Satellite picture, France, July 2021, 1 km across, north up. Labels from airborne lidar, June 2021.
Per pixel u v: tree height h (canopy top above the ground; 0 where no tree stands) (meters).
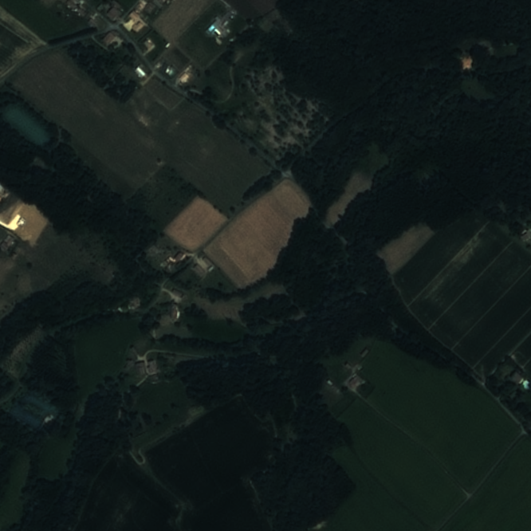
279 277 16
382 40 19
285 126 10
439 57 21
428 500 0
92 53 11
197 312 16
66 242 0
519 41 18
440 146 24
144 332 20
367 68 34
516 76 20
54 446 0
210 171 0
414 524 0
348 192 0
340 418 0
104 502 0
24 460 0
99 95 0
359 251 27
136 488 0
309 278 13
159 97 0
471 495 0
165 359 5
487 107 25
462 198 20
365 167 0
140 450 0
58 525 16
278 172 11
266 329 22
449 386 0
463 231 0
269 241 0
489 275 0
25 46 0
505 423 0
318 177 25
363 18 28
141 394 9
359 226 19
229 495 0
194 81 0
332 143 21
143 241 10
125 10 0
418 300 0
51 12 0
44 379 28
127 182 0
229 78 0
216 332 0
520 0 30
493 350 0
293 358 17
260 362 22
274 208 0
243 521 0
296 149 7
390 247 0
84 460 15
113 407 20
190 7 0
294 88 13
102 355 0
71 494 12
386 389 0
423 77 19
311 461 21
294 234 14
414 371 0
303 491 22
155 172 0
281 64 14
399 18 19
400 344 16
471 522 0
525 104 14
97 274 0
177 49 0
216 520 0
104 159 0
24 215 0
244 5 0
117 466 0
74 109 0
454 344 0
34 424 0
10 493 0
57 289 6
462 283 0
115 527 0
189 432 0
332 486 24
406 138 19
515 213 14
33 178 20
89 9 0
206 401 12
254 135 6
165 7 0
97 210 18
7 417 21
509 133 15
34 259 0
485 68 15
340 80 21
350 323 17
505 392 17
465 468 0
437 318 0
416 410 0
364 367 0
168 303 6
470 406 0
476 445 0
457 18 18
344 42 27
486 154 19
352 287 14
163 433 0
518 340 0
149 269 14
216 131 0
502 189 14
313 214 18
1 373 16
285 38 12
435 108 16
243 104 6
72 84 0
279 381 39
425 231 0
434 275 0
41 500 17
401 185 21
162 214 0
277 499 25
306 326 28
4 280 0
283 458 14
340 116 14
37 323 11
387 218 10
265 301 19
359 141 24
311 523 24
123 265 7
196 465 0
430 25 23
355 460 0
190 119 0
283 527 21
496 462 0
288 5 9
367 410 0
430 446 0
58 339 10
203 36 0
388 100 20
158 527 0
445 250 0
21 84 0
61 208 25
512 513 0
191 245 0
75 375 8
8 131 17
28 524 21
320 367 16
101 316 17
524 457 0
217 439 0
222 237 0
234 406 0
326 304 21
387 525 0
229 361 28
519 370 8
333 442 19
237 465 0
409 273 0
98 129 0
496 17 22
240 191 0
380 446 0
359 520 0
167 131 0
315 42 17
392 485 0
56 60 0
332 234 19
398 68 24
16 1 0
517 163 22
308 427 7
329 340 14
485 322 0
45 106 0
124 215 17
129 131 0
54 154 20
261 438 0
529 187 23
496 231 0
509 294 0
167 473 0
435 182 24
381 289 19
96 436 23
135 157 0
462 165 18
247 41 12
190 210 0
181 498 0
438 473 0
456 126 18
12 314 14
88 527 0
